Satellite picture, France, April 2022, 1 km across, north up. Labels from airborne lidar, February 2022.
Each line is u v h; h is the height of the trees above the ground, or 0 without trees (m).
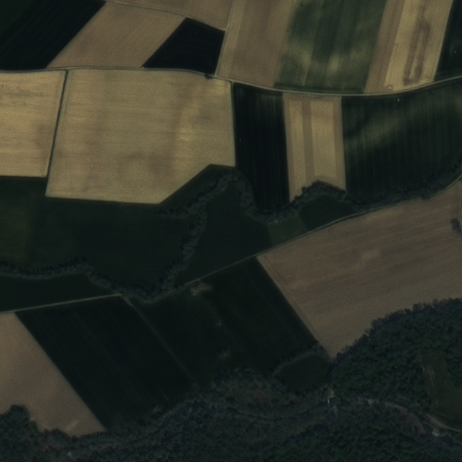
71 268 13
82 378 0
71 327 0
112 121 0
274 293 0
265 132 0
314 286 0
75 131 0
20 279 0
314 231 0
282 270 0
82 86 0
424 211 0
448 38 0
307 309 0
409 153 0
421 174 0
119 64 0
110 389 0
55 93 0
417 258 0
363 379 23
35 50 0
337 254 0
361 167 0
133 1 0
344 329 0
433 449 26
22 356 0
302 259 0
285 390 19
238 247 0
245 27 0
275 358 0
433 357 0
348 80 0
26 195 0
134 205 0
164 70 0
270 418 18
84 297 0
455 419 0
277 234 0
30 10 0
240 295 0
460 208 0
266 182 0
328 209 0
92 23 0
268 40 0
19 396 0
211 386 0
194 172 0
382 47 0
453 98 0
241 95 0
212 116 0
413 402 22
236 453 22
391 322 25
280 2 0
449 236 0
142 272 0
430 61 0
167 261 0
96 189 0
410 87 0
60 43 0
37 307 0
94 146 0
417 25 0
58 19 0
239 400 10
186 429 11
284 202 0
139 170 0
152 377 0
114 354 0
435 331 32
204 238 0
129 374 0
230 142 0
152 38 0
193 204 13
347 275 0
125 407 0
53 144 0
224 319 0
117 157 0
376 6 0
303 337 0
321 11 0
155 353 0
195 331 0
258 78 0
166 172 0
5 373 0
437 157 0
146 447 12
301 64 0
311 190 12
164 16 0
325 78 0
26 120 0
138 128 0
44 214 0
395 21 0
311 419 20
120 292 18
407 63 0
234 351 0
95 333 0
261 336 0
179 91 0
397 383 22
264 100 0
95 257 0
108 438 15
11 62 0
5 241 0
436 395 0
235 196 0
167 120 0
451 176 17
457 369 21
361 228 0
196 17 0
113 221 0
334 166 0
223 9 0
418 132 0
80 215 0
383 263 0
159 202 0
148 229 0
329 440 25
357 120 0
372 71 0
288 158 0
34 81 0
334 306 0
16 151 0
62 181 0
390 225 0
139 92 0
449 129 0
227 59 0
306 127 0
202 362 0
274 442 22
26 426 21
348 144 0
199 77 0
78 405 0
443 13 0
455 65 0
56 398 0
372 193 0
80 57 0
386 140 0
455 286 0
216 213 0
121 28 0
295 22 0
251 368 0
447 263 0
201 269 0
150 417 0
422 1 0
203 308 0
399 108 0
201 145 0
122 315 0
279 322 0
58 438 25
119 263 0
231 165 0
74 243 0
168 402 0
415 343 29
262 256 0
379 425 28
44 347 0
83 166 0
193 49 0
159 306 0
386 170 0
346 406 25
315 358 0
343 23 0
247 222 0
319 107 0
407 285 0
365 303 0
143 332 0
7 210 0
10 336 0
